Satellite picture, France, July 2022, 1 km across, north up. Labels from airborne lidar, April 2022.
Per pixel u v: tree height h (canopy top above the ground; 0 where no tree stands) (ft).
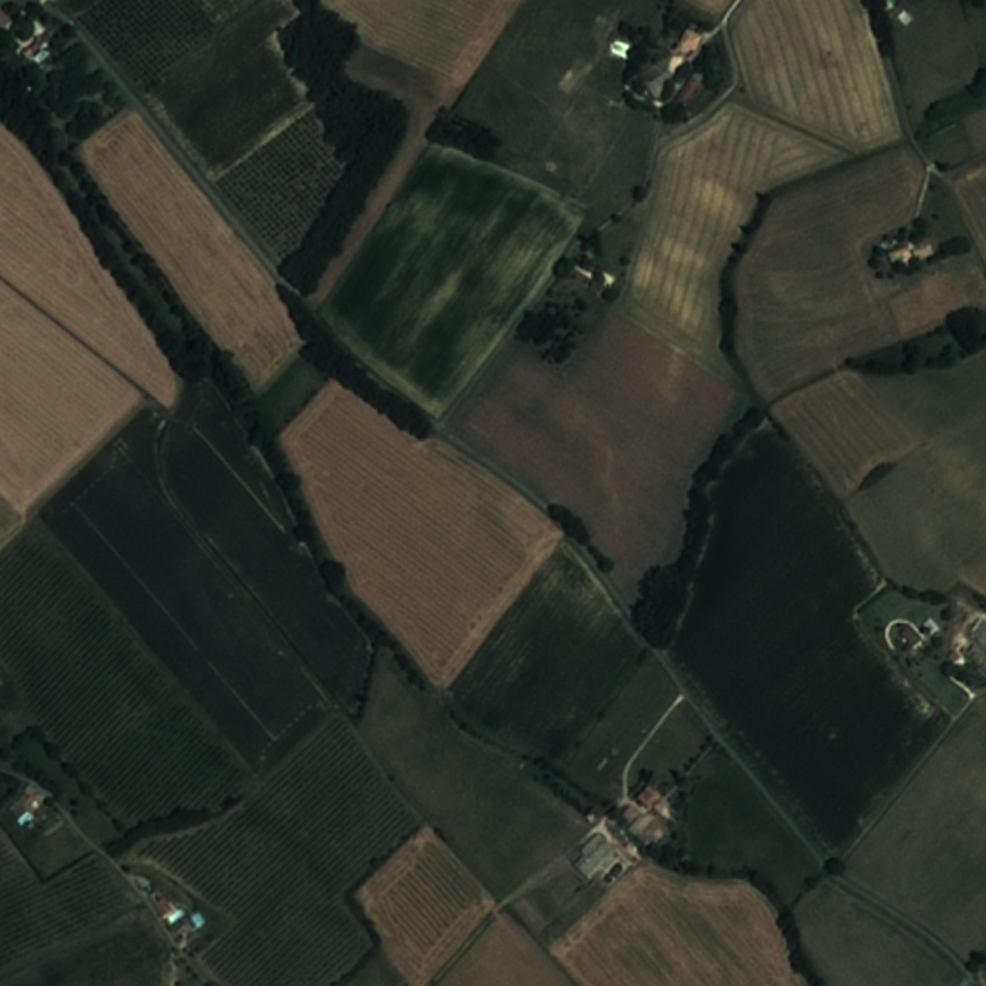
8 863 0
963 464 0
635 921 0
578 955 0
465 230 0
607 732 0
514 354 0
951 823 0
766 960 0
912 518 0
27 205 0
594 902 0
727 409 0
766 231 0
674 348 0
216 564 0
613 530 0
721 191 0
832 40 0
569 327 40
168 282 0
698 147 0
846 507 0
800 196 0
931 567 0
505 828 0
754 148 0
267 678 0
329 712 0
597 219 0
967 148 0
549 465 0
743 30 0
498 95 0
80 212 50
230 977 0
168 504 0
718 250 0
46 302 0
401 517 0
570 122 0
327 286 0
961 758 0
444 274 0
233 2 0
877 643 0
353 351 0
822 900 0
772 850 0
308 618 0
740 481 0
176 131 0
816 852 0
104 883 0
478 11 0
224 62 0
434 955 0
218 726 0
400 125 70
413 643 0
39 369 0
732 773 0
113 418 0
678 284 0
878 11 48
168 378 0
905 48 0
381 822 0
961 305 0
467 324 0
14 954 0
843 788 0
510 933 0
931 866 0
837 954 0
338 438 0
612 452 0
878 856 0
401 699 0
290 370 0
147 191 0
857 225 0
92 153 0
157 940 0
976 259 0
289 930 0
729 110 0
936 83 0
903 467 0
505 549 0
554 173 0
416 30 0
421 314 0
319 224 44
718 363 0
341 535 0
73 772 37
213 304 0
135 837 45
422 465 0
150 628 0
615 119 0
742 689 0
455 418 0
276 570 0
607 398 0
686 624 0
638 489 0
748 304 0
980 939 0
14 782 28
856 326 0
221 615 0
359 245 0
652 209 0
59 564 0
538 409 0
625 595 0
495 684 0
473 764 0
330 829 0
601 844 0
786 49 0
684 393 0
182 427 0
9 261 0
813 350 0
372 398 57
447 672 0
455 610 0
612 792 0
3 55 36
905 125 0
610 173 0
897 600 0
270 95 0
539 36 0
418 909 0
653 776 62
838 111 0
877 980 0
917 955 0
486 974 0
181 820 66
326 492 0
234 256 0
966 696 0
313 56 51
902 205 0
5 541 0
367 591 0
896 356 0
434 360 0
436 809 0
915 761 0
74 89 23
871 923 0
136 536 0
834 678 0
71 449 0
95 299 0
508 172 0
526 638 0
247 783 0
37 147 51
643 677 0
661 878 0
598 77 0
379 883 0
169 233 0
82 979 0
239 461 0
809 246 0
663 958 0
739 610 0
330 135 50
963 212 0
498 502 0
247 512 0
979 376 0
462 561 0
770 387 0
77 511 0
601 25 0
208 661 0
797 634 0
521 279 0
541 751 0
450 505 0
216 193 0
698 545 56
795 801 0
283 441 0
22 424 0
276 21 0
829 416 0
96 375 0
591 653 0
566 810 0
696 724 0
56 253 0
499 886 0
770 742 0
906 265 23
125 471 0
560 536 0
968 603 0
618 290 28
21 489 0
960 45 0
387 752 0
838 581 0
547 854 0
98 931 0
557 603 0
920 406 0
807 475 0
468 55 0
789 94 0
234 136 0
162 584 0
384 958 0
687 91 0
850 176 0
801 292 0
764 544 0
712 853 0
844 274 0
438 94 0
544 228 0
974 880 0
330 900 0
